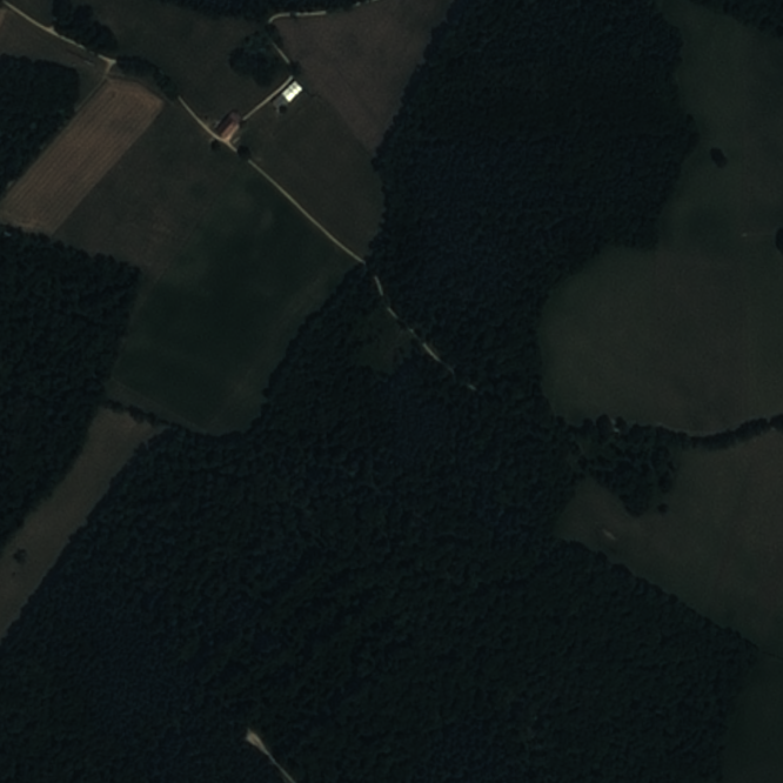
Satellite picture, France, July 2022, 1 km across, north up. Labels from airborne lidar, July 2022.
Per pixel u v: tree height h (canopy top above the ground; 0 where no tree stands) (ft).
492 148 78
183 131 0
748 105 0
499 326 83
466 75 47
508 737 70
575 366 0
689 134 71
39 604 74
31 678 66
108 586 110
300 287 0
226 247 0
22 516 22
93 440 0
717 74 0
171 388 0
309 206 0
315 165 0
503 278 79
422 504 51
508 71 52
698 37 0
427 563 50
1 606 0
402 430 77
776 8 67
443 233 77
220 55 0
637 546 0
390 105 0
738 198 0
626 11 47
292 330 0
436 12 0
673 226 0
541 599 75
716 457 0
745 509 0
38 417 66
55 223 0
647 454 27
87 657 74
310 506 76
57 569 37
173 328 0
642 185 75
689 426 0
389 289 63
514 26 41
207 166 0
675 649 71
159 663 94
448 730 82
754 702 0
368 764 58
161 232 0
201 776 72
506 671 69
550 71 49
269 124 0
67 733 73
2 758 89
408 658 72
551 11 39
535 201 78
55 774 71
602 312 0
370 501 83
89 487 0
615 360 0
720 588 0
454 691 72
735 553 0
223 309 0
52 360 41
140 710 123
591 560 68
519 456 50
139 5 0
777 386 0
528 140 77
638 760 63
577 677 71
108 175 0
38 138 53
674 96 50
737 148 0
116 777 72
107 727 95
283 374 49
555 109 45
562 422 59
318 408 67
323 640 74
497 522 98
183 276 0
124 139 0
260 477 76
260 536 67
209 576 66
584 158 79
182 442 77
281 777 76
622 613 83
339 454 65
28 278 71
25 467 66
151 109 0
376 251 64
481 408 65
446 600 77
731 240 0
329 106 0
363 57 0
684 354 0
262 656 74
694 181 0
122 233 0
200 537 63
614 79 53
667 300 0
